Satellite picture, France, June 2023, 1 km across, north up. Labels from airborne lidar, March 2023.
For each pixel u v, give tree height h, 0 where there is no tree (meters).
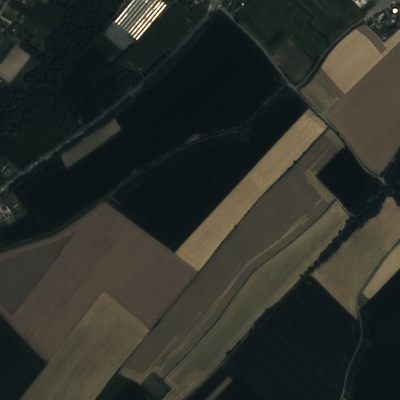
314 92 0
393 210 0
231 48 0
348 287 0
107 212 0
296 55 0
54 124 0
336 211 0
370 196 0
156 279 0
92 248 0
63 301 0
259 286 0
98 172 0
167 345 0
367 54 0
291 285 0
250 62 0
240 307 0
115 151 0
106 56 0
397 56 0
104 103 0
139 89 0
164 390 0
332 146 0
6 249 0
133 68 0
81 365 0
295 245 0
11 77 0
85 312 0
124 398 0
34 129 0
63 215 0
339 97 0
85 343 0
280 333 0
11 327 0
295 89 0
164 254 0
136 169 0
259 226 0
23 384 0
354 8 0
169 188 0
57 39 32
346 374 0
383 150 0
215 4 0
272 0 0
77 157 0
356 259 0
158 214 0
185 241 0
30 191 0
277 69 0
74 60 20
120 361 0
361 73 0
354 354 0
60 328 0
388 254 0
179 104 0
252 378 0
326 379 0
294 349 0
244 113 0
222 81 0
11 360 0
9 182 0
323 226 0
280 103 0
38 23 0
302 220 0
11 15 0
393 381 0
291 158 0
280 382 0
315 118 0
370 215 18
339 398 0
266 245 0
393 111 0
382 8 0
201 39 0
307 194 0
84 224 0
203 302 0
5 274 0
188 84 0
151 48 0
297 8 0
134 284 0
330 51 0
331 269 0
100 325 0
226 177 0
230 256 0
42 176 0
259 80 0
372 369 0
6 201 0
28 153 0
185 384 0
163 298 0
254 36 0
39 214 0
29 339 0
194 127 0
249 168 0
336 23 0
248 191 0
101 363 0
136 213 0
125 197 0
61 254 0
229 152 0
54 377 0
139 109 0
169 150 0
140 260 0
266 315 12
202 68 0
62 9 15
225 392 0
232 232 0
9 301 0
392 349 0
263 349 0
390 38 0
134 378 0
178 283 0
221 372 0
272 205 0
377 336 0
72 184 0
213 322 0
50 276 0
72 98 0
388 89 0
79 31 33
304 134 0
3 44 0
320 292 0
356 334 0
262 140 0
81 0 15
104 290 0
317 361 0
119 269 0
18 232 0
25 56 0
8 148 0
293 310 0
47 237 0
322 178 0
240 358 0
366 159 0
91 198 0
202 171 0
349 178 0
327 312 0
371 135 0
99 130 0
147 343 0
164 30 0
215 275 0
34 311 0
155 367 0
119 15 0
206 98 0
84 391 0
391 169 12
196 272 0
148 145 0
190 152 0
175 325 0
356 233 0
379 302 0
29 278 0
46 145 0
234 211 0
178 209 0
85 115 0
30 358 0
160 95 0
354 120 0
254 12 0
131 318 0
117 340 0
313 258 0
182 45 0
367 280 0
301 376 0
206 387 0
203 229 0
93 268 0
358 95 0
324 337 0
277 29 0
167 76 0
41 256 0
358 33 0
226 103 0
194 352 0
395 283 0
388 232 0
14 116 35
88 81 0
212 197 0
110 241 0
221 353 0
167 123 0
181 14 0
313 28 0
